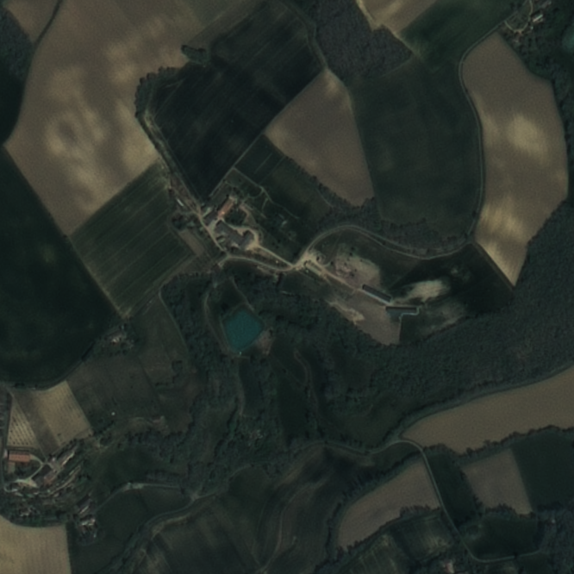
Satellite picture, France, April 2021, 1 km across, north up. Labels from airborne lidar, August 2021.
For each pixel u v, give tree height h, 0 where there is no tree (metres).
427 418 0
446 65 0
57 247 0
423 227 12
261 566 0
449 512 0
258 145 0
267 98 0
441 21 0
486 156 0
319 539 0
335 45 13
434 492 0
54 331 0
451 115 0
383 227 14
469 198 0
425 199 0
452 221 0
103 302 0
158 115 0
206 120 0
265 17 0
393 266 0
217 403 18
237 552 0
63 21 0
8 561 0
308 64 0
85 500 0
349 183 0
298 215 0
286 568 0
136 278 0
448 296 0
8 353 0
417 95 0
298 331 17
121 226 0
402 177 0
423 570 22
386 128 0
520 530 0
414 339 0
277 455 13
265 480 0
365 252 0
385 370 14
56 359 0
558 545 20
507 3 0
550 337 20
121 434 0
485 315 12
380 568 0
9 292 0
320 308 18
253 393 0
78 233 0
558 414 0
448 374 11
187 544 0
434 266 0
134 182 0
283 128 0
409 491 0
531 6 0
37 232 0
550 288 13
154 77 14
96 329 0
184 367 11
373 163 0
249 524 0
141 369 0
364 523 0
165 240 0
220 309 0
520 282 9
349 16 18
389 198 0
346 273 0
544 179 0
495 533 0
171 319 0
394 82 0
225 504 0
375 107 0
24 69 12
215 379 14
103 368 0
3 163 0
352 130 0
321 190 10
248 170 0
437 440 0
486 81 0
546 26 14
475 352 19
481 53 0
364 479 0
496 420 0
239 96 0
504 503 0
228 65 0
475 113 0
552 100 0
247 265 0
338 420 0
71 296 0
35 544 0
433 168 0
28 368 0
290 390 0
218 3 0
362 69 7
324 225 12
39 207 0
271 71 0
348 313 0
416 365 19
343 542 0
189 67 0
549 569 0
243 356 0
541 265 12
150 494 0
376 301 0
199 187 0
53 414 0
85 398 0
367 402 6
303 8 13
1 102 0
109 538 0
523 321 12
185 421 0
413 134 0
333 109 0
